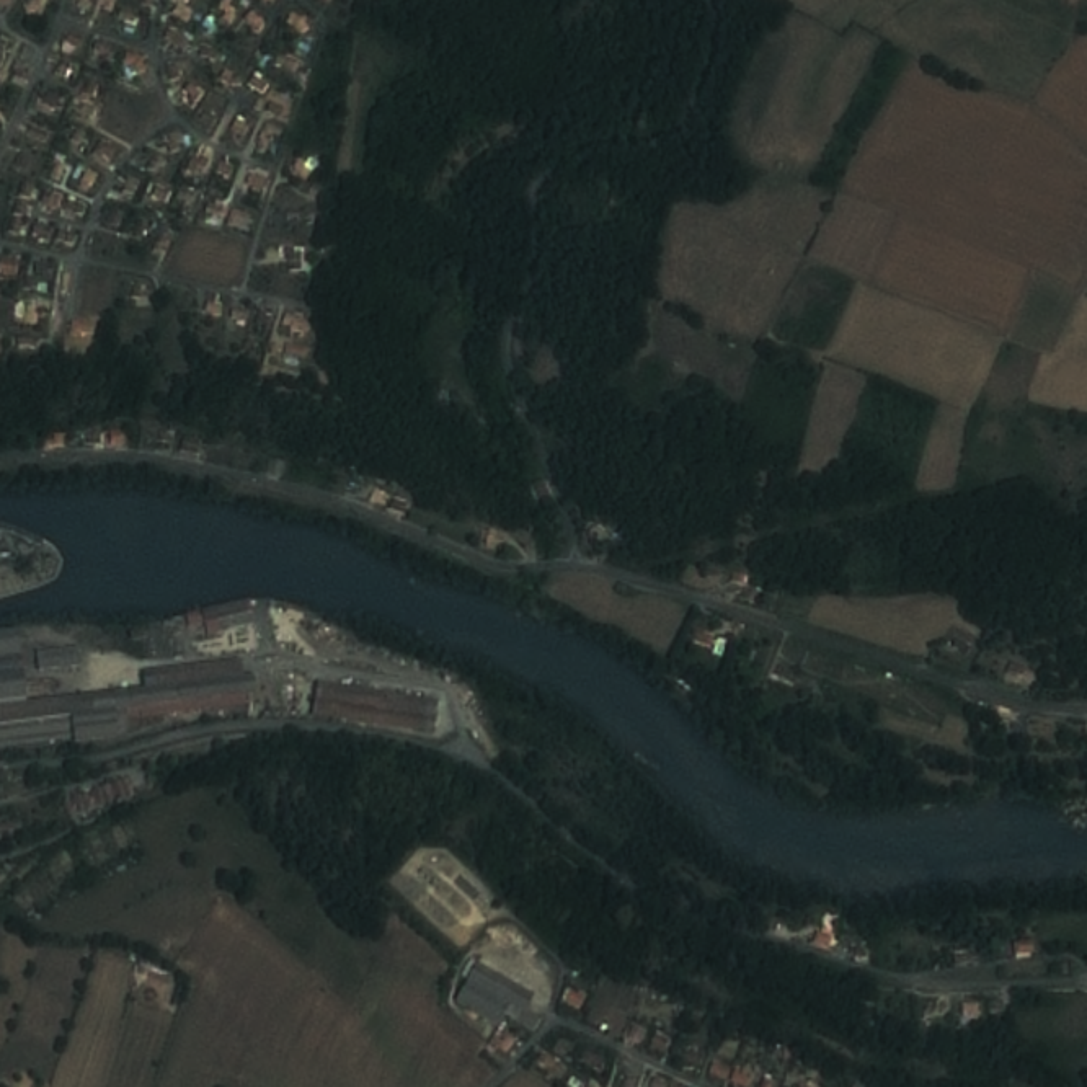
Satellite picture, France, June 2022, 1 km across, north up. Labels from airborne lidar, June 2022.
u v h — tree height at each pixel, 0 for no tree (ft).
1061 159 0
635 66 60
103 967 0
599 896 38
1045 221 0
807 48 0
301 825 45
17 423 47
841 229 0
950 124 0
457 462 41
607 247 63
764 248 0
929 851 0
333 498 0
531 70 33
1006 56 0
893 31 0
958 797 63
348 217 52
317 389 40
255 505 81
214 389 37
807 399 0
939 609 0
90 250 0
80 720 0
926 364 0
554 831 52
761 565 47
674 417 50
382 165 40
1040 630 44
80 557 0
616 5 51
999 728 39
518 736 34
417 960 0
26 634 0
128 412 48
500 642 0
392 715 0
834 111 0
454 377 0
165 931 0
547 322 40
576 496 55
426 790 55
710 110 40
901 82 0
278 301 0
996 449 0
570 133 80
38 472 28
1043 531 55
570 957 41
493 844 28
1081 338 0
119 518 0
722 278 0
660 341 0
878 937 27
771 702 0
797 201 0
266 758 24
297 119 0
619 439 42
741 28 63
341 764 70
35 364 37
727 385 0
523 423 23
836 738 89
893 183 0
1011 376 0
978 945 58
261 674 0
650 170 68
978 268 0
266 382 28
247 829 0
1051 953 64
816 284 0
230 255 0
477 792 28
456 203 37
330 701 0
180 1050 0
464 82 24
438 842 20
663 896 85
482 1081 0
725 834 0
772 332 0
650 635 0
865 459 26
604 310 51
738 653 20
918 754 0
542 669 0
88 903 0
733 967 75
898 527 35
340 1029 0
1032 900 66
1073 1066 0
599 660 0
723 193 53
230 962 0
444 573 49
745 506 29
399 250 55
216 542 0
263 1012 0
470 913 0
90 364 37
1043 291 0
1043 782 87
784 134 0
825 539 36
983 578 37
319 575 0
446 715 0
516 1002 0
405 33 52
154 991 0
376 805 51
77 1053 0
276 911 0
